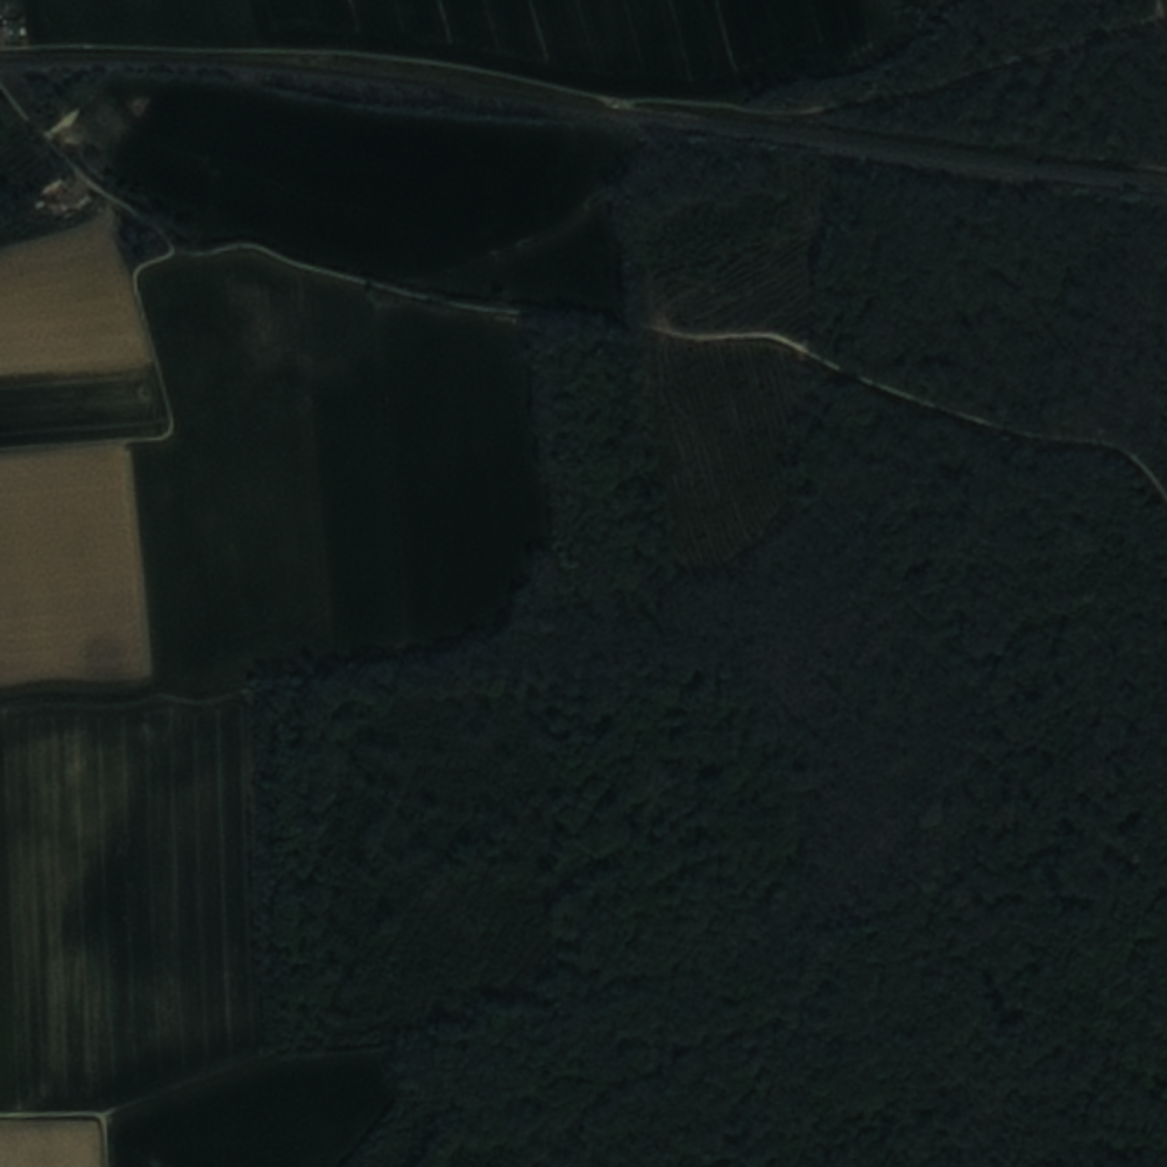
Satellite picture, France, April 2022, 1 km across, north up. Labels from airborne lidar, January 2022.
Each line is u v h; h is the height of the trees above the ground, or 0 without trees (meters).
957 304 27
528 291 0
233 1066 0
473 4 0
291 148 0
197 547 0
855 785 23
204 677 0
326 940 18
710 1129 26
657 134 17
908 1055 22
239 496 0
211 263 0
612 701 20
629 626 27
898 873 17
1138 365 23
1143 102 28
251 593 0
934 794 15
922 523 23
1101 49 21
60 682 0
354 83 0
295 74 0
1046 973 22
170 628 0
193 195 0
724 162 18
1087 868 23
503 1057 19
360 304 0
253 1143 0
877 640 22
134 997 0
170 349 0
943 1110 23
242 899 0
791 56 0
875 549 26
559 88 0
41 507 0
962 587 18
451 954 7
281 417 0
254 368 0
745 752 20
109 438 0
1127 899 23
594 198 0
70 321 0
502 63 0
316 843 19
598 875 21
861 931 19
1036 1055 25
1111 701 25
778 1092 21
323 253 0
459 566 0
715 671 21
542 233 0
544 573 22
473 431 0
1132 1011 21
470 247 0
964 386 29
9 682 0
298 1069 0
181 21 0
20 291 0
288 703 21
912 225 28
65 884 0
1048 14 20
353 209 0
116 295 0
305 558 0
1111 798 22
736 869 20
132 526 0
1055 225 26
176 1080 0
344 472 0
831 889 21
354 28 0
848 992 23
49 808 0
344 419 0
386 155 0
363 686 24
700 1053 19
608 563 28
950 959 24
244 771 0
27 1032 0
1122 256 19
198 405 0
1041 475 26
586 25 0
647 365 29
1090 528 24
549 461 22
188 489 0
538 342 22
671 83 0
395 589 0
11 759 0
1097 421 24
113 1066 0
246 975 0
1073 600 21
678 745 22
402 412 0
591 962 15
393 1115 7
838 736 21
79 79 11
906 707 22
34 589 0
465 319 0
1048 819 17
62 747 0
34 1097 0
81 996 0
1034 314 24
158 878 0
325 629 0
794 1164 22
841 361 22
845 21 0
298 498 0
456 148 0
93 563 0
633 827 21
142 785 0
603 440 25
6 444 0
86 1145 0
